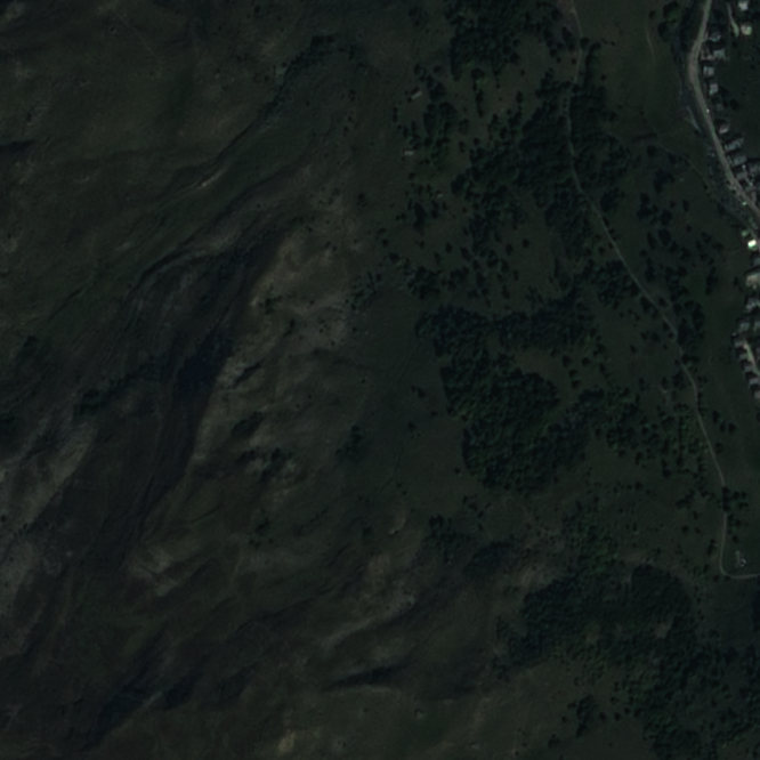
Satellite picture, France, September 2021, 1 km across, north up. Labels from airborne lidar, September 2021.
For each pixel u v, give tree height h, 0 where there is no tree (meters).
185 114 0
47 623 0
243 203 0
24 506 0
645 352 0
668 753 11
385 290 0
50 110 0
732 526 9
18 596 0
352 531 0
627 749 0
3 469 0
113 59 0
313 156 0
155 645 0
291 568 0
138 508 0
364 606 0
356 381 0
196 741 0
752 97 0
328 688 0
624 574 6
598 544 9
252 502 0
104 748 0
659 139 8
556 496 0
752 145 0
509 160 10
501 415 15
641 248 0
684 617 7
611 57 0
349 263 0
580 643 12
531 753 0
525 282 0
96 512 0
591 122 15
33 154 0
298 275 0
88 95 0
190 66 0
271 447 0
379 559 0
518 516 0
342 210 0
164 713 0
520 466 13
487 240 13
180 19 0
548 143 15
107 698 0
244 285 0
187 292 0
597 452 0
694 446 9
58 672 0
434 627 0
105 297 0
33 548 0
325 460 0
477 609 0
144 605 0
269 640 0
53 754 0
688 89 0
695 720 0
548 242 0
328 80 0
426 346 0
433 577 0
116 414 0
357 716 0
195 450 0
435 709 0
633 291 9
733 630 0
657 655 6
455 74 13
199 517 0
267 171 0
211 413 0
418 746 0
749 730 9
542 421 21
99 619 0
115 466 0
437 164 11
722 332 0
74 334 0
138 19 0
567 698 0
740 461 0
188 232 0
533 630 6
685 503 9
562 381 0
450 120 16
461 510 0
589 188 11
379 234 6
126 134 0
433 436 0
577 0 0
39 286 0
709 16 0
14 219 0
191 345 0
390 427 0
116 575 0
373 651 0
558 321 10
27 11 0
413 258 0
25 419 0
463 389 11
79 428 0
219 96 0
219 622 0
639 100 0
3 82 0
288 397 0
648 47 0
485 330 14
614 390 7
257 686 0
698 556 0
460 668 0
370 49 0
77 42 0
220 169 0
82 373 0
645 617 7
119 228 0
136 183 0
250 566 0
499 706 0
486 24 14
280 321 0
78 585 0
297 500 0
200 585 0
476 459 19
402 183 0
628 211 0
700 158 0
